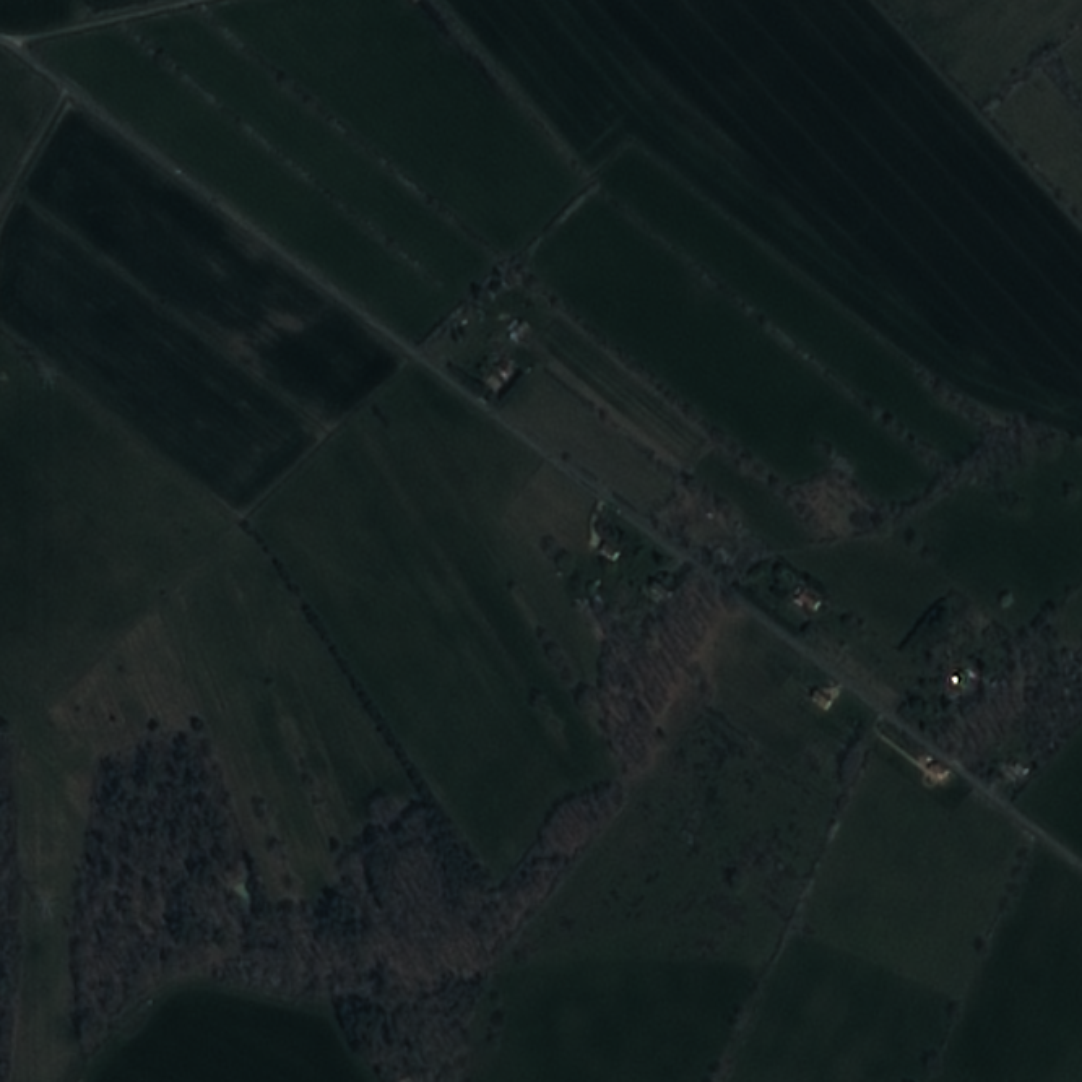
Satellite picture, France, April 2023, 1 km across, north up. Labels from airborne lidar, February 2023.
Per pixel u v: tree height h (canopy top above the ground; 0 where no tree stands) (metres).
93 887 12
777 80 0
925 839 0
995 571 0
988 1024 0
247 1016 0
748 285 0
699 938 0
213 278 0
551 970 0
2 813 17
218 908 15
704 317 0
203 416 0
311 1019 0
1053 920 0
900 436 10
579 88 0
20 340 0
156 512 0
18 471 0
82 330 0
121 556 0
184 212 0
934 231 0
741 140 0
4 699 0
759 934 0
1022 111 0
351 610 0
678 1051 0
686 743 0
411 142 0
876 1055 0
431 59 0
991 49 0
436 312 0
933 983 0
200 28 0
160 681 0
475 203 0
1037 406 0
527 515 0
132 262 0
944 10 0
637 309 0
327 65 0
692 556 21
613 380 0
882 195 0
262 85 0
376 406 0
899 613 0
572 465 9
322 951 21
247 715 0
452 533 0
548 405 0
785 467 0
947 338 0
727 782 0
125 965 14
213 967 9
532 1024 0
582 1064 0
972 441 0
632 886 0
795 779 0
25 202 0
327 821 0
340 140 0
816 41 0
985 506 0
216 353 0
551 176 0
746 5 0
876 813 0
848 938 0
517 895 14
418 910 23
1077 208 6
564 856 11
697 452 0
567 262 0
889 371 0
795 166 0
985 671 16
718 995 0
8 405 0
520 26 0
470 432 0
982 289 0
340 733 0
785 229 0
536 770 0
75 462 0
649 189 0
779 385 0
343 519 0
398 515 0
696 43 0
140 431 0
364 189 0
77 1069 0
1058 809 0
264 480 0
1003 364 0
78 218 0
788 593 8
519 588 6
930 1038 0
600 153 0
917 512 8
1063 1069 0
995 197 0
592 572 0
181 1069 0
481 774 0
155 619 0
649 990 0
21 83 0
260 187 0
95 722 0
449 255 0
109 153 0
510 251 0
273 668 0
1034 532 0
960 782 0
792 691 0
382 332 0
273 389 0
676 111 0
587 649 0
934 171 0
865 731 11
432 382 0
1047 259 0
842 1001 0
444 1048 14
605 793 10
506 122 0
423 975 17
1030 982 0
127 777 19
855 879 0
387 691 0
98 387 0
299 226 0
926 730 10
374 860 20
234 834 17
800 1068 0
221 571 0
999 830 0
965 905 0
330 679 0
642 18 0
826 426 0
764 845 0
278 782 0
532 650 0
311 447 0
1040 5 0
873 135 0
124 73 0
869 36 0
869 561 0
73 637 0
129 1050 0
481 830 0
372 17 0
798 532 0
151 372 0
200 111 0
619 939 0
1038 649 19
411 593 0
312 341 0
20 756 0
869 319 0
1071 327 0
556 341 0
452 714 0
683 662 19
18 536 0
